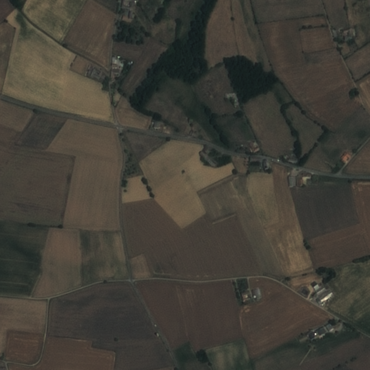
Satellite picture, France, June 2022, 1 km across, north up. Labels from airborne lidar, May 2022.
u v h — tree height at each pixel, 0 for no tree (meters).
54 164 0
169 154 0
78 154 0
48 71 0
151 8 0
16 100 0
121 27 13
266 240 0
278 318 0
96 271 0
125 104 0
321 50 0
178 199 0
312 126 0
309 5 0
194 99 0
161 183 0
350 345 0
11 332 0
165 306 0
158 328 0
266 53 0
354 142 0
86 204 0
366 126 0
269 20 0
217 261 0
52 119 0
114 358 0
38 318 0
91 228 0
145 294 0
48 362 0
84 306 0
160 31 0
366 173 0
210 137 0
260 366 0
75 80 0
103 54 0
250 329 0
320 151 0
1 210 0
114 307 0
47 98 0
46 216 0
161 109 0
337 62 0
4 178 0
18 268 0
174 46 15
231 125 0
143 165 0
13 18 0
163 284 0
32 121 0
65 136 0
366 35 0
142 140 0
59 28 0
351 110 0
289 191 0
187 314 0
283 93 0
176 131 9
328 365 0
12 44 0
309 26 9
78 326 0
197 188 0
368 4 0
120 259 0
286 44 0
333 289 0
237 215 0
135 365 0
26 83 0
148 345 0
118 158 0
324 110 0
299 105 10
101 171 0
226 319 0
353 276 0
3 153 0
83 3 0
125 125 0
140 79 0
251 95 9
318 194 0
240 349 0
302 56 0
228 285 0
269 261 0
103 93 0
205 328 0
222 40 0
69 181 0
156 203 0
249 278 0
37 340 0
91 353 0
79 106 0
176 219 0
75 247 0
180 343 0
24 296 0
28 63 0
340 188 0
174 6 0
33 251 0
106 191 0
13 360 0
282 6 0
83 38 0
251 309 0
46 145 0
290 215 0
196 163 0
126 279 0
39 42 0
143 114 11
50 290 0
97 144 0
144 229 0
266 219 0
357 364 0
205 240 0
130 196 0
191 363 0
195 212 0
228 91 0
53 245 0
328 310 0
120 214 0
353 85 0
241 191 0
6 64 0
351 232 0
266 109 0
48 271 0
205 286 0
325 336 9
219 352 0
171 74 18
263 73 7
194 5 0
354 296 0
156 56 0
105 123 0
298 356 0
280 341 0
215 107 0
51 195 0
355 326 0
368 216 0
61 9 0
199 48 17
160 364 0
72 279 0
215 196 0
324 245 0
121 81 7
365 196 0
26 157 0
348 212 0
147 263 0
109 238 0
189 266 0
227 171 0
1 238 0
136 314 0
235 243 0
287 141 0
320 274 11
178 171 0
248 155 10
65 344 0
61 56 0
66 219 0
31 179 0
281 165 0
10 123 0
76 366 0
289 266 0
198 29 12
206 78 0
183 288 0
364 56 0
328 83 0
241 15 0
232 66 15
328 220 0
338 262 0
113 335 0
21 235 0
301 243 0
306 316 0
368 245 0
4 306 0
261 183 0
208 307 0
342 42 7
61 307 0
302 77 0
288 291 0
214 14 0
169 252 0
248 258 0
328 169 0
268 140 0
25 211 0
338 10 0
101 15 0
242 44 0
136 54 0
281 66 0
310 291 0
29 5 0
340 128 0
